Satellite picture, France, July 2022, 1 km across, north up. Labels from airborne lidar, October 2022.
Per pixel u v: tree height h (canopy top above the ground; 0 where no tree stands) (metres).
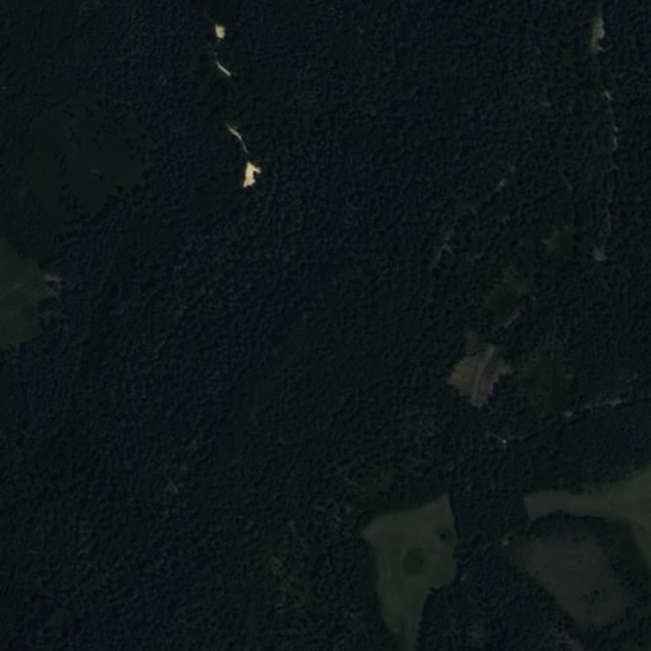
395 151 24
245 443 18
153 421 16
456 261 19
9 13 19
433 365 30
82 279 25
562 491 9
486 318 15
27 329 0
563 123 36
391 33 13
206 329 18
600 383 27
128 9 27
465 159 14
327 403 26
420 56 19
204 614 19
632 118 33
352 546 26
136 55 12
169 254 18
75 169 0
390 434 19
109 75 25
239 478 21
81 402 36
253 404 14
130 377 18
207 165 23
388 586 0
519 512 22
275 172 25
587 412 21
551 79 29
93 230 27
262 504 20
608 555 9
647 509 0
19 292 0
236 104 27
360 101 32
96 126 0
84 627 25
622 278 26
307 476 26
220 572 17
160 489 22
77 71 25
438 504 0
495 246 22
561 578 0
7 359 20
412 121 31
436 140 17
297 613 18
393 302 20
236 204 10
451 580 0
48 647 27
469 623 23
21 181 9
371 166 25
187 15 26
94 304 29
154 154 16
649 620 11
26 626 15
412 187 18
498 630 17
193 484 20
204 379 24
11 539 16
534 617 29
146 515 20
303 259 25
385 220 21
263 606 26
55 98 24
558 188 22
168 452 25
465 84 19
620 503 0
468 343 29
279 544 31
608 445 23
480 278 22
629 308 12
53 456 17
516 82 9
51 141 0
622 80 17
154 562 25
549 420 21
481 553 14
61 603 18
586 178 24
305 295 29
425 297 25
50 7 11
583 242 33
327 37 23
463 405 30
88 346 15
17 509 26
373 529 0
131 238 11
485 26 18
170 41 30
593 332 20
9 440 12
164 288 10
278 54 23
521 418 17
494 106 25
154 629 17
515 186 9
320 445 26
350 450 33
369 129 25
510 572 16
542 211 34
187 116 29
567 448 23
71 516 23
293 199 25
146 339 15
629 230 10
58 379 30
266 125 18
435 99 18
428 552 0
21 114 21
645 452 28
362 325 11
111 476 12
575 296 26
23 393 7
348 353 13
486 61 25
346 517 28
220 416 27
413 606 0
